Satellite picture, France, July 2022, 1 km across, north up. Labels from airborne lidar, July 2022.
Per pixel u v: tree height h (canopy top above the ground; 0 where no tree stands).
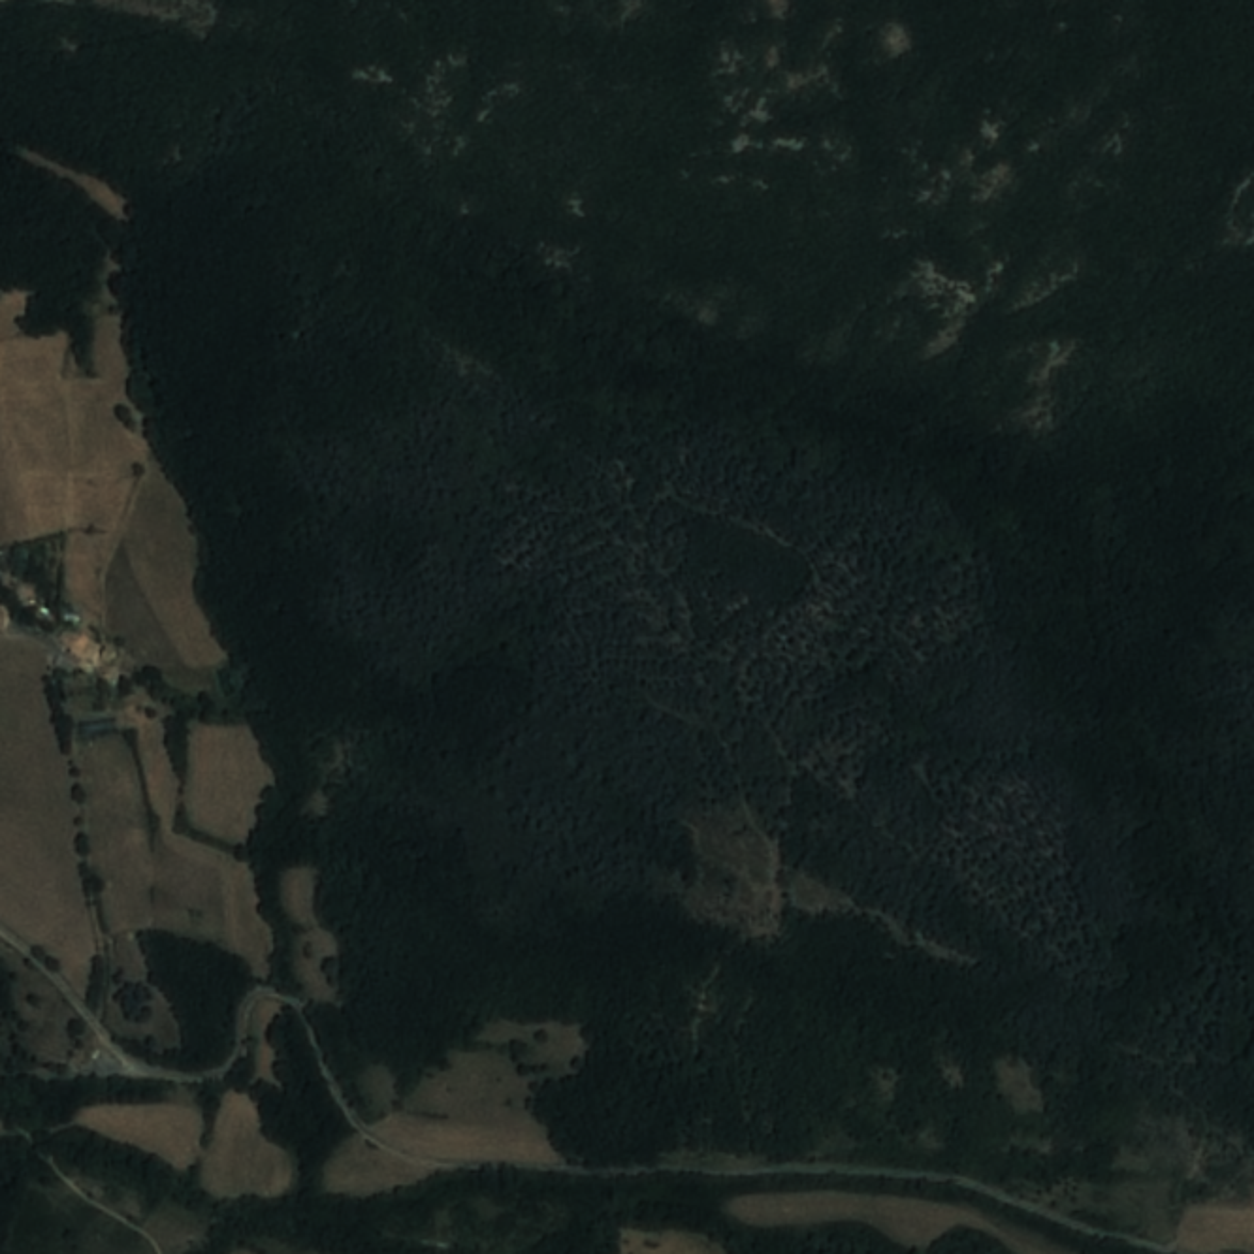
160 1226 0
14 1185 13
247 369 17
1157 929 18
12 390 0
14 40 10
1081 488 12
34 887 0
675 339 11
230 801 0
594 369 9
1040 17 7
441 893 13
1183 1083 10
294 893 0
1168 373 11
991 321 10
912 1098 12
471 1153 0
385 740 9
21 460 0
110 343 0
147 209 17
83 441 0
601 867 12
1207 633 10
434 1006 11
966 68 6
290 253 11
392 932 13
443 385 8
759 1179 8
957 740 17
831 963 9
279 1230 15
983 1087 11
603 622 14
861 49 6
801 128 7
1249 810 10
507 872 10
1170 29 10
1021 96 8
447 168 8
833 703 18
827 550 20
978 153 8
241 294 16
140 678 11
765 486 15
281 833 6
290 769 16
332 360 11
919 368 8
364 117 9
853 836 9
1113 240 10
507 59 6
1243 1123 12
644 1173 9
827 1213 0
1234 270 8
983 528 18
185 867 0
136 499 0
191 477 18
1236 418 11
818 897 0
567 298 13
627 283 7
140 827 0
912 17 7
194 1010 16
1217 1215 0
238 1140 0
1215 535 13
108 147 14
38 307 17
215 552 14
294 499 16
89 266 16
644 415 11
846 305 8
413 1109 0
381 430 9
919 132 6
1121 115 5
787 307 7
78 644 0
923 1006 13
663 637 17
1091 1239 6
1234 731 12
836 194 6
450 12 8
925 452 14
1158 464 13
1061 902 18
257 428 11
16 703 0
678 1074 17
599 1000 15
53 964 11
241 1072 15
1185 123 10
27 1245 0
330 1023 11
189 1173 6
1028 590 14
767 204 7
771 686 15
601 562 14
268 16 8
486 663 10
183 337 18
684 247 8
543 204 9
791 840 14
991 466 20
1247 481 6
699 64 8
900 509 16
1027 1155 11
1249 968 18
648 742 9
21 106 13
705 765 9
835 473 9
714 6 11
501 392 9
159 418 17
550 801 11
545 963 12
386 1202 7
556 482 11
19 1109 13
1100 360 9
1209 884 11
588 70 7
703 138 6
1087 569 13
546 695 10
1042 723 16
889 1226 0
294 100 9
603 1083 12
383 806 9
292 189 13
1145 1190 0
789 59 6
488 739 14
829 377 11
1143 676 12
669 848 13
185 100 8
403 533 15
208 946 11
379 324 12
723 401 9
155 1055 8
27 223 19
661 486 13
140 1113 0
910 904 9
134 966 0
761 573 13
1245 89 11
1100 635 15
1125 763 22
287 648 16
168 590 0
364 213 16
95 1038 0
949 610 17
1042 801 21
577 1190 8
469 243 14
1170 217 8
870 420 14
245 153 10
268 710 13
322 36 9
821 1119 8
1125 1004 16
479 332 14
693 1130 17
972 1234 10
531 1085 10
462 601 9
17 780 0
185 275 16
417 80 8
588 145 7
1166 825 13
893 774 15
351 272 9
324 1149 13
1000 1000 15
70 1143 9
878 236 5
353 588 10
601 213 8
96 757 0
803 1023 6
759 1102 10
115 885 0
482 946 11
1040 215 8
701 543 15
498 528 10
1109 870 16
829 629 24
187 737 17
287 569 11
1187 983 16
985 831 21
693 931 13
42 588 8
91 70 11
